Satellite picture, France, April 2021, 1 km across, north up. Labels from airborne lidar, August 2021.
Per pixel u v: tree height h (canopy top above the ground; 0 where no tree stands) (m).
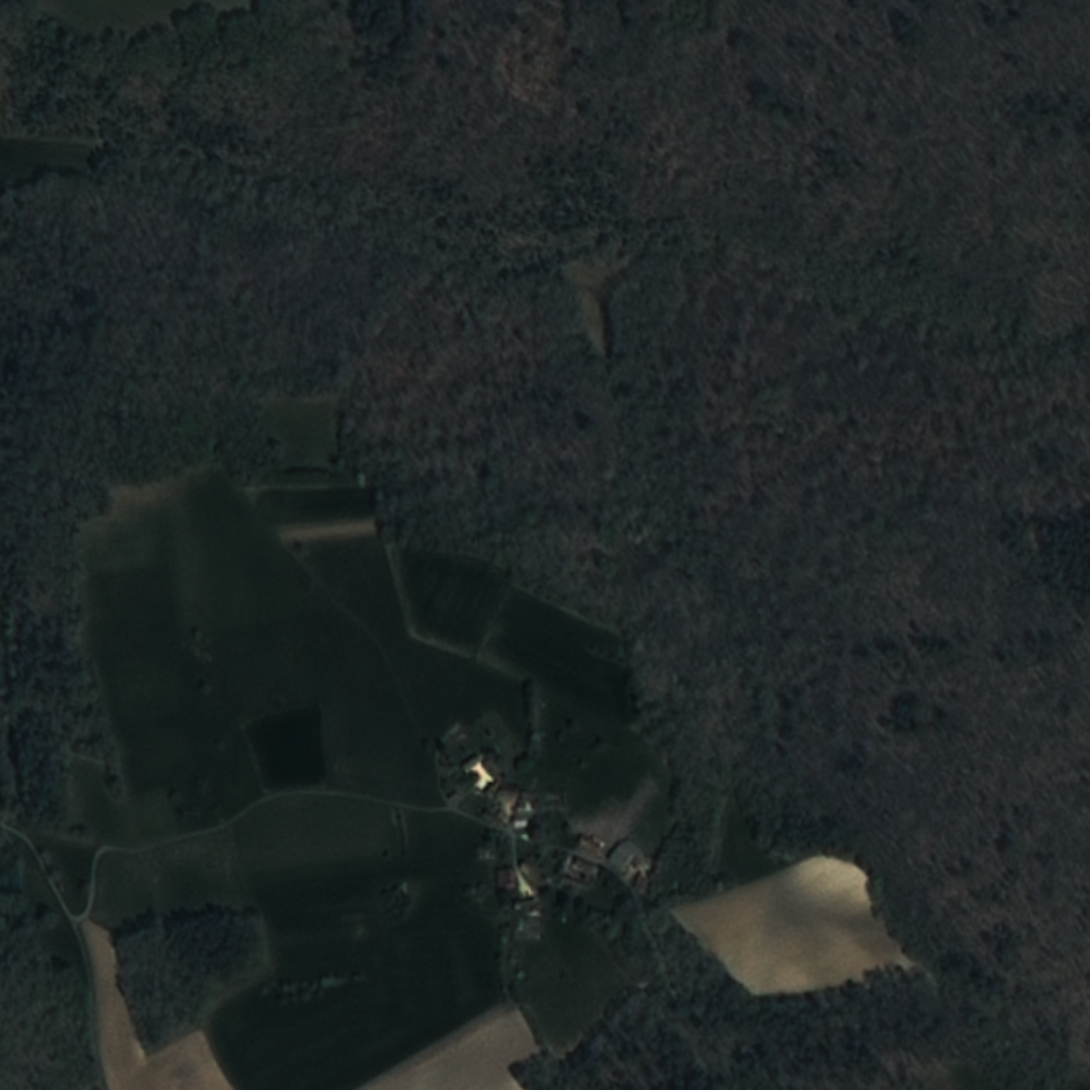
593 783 0
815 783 16
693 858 10
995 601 17
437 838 0
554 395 9
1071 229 20
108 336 13
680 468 12
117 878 0
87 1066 18
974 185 13
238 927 19
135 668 0
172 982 22
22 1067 17
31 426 25
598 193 14
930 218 13
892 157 14
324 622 0
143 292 16
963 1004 15
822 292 23
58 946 0
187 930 23
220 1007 0
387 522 11
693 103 16
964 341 11
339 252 16
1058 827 15
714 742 18
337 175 10
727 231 21
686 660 14
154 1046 20
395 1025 0
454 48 10
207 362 18
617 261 8
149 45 23
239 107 12
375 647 0
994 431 13
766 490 13
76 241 19
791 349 8
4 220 21
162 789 0
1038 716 18
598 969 0
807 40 13
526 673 0
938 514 19
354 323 18
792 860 13
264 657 0
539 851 9
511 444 18
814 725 17
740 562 17
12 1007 14
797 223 12
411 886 0
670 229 11
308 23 14
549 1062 14
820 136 12
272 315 13
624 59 15
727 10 16
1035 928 16
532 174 10
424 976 0
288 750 0
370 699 0
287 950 0
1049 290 18
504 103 11
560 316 21
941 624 17
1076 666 17
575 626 0
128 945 23
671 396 10
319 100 10
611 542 23
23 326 18
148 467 24
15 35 23
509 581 9
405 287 17
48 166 0
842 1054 14
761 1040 20
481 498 8
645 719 15
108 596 0
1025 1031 20
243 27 22
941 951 20
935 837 12
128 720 0
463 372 10
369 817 0
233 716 0
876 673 17
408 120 17
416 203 9
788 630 17
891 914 14
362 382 14
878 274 17
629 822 0
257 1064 0
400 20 8
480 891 7
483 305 19
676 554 24
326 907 0
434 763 0
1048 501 6
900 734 19
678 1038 20
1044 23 14
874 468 15
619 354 23
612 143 13
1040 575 22
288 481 9
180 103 17
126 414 25
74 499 23
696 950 14
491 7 8
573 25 18
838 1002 17
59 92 20
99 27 0
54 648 7
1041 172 16
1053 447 15
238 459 17
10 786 14
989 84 15
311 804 0
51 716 12
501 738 0
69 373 12
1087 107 17
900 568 19
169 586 0
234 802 0
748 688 23
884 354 11
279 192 22
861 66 17
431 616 0
